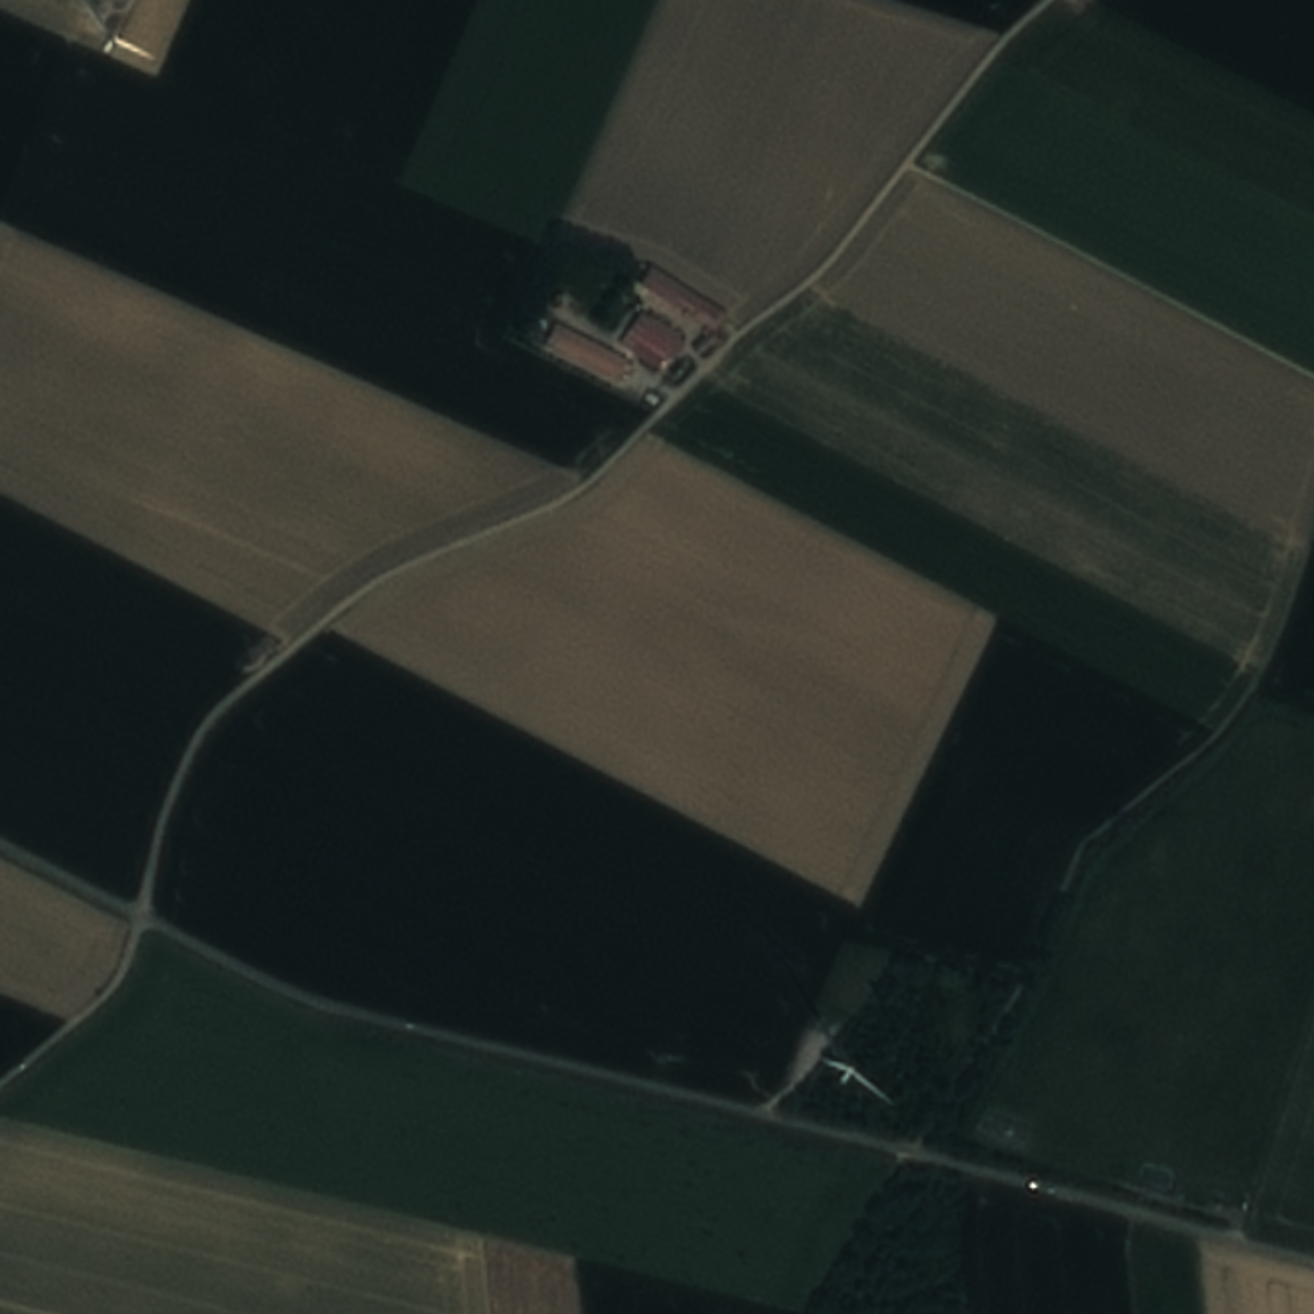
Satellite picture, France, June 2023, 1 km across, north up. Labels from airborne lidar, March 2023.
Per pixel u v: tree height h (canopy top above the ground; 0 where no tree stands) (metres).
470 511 0
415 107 0
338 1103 0
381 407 0
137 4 0
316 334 0
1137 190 0
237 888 0
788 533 0
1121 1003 0
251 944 0
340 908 0
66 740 0
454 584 0
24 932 0
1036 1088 0
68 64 0
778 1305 0
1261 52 0
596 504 0
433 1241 0
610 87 0
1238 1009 0
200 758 0
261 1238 0
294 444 0
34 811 0
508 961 0
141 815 0
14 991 0
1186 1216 6
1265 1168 0
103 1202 0
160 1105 0
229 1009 0
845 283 0
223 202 0
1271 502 0
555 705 0
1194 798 0
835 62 0
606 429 0
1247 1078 0
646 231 0
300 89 0
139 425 0
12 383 0
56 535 0
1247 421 0
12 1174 0
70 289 0
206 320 0
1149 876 0
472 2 0
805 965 0
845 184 0
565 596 0
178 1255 0
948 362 0
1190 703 0
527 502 0
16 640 0
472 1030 0
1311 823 0
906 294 0
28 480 0
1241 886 0
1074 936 0
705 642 0
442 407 0
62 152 0
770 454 0
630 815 0
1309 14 0
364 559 0
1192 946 0
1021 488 0
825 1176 0
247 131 0
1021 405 0
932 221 0
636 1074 0
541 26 0
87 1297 0
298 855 0
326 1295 0
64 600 0
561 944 0
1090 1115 0
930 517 0
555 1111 0
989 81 0
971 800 0
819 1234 0
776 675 0
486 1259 0
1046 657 0
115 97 0
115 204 0
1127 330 0
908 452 0
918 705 0
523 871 0
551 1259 0
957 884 0
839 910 0
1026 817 0
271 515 0
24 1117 0
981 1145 6
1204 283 0
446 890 0
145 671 0
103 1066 0
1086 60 0
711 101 0
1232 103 0
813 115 0
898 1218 17
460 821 0
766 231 0
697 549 0
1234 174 0
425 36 0
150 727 0
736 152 0
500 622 0
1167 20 0
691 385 0
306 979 0
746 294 0
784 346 0
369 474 0
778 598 0
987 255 0
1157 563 0
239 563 0
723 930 0
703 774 0
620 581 0
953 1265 9
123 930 0
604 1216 0
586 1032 0
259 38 0
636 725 0
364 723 0
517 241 0
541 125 0
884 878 0
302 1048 0
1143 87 0
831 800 0
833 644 0
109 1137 0
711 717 0
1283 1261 0
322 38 0
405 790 0
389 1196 0
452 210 0
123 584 0
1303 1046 0
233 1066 0
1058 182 0
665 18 0
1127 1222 0
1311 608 0
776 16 0
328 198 0
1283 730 0
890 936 0
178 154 0
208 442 0
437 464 0
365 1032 0
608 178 0
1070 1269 0
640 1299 0
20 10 0
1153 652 0
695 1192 0
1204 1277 0
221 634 0
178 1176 0
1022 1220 0
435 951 0
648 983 0
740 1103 0
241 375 0
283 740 0
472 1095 0
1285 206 0
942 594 0
